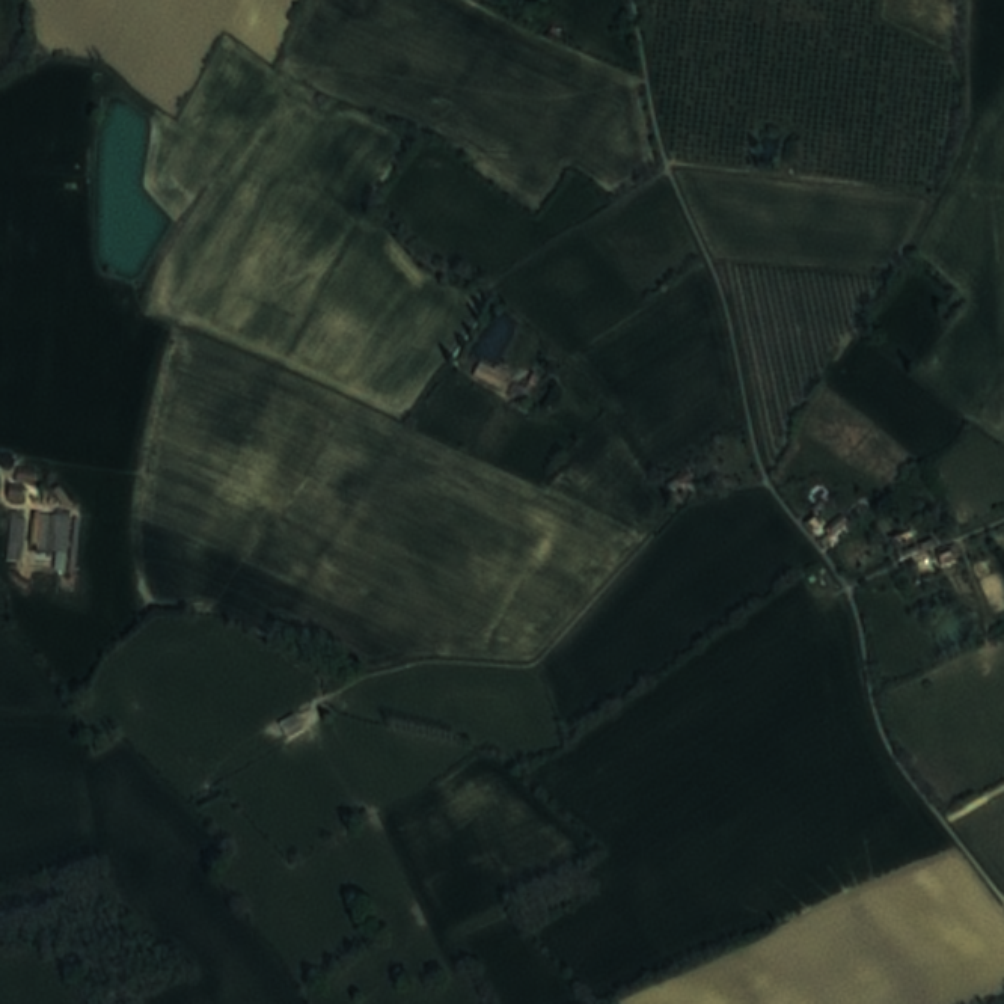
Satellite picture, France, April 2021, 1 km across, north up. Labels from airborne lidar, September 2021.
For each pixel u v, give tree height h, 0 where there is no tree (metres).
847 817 0
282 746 0
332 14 0
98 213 0
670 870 0
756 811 0
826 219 0
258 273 0
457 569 0
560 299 0
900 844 0
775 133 12
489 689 0
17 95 0
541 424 8
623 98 0
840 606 0
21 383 0
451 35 0
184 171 0
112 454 0
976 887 0
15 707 0
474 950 0
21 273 0
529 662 0
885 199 0
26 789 0
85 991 20
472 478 0
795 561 0
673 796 0
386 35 0
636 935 0
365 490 0
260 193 0
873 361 0
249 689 0
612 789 0
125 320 0
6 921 21
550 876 15
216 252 0
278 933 0
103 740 19
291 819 0
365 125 0
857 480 0
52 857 0
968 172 0
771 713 0
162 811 0
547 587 0
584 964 0
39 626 0
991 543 8
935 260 0
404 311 0
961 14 11
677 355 0
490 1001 21
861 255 0
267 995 0
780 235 0
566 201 0
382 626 0
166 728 0
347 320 0
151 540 0
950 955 0
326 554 0
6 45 0
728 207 0
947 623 0
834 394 0
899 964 0
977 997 0
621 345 0
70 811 0
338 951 0
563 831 0
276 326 0
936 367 0
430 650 0
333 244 0
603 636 0
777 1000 0
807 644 0
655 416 0
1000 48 0
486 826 0
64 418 0
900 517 13
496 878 0
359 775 0
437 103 0
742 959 0
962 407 0
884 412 0
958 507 0
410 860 0
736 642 0
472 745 15
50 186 0
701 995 0
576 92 0
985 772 0
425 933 0
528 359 0
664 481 13
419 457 0
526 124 0
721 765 0
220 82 0
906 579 10
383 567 0
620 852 0
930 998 0
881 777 0
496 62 0
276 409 0
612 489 0
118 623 0
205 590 0
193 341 0
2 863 0
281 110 0
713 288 0
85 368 0
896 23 0
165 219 0
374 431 0
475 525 0
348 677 24
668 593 0
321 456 0
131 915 14
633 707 0
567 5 0
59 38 0
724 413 0
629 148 0
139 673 0
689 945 0
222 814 0
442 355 0
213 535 0
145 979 18
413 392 0
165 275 0
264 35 0
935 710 0
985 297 0
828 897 0
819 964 0
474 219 0
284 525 0
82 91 0
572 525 0
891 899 0
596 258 0
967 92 15
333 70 0
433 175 0
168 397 0
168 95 0
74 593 0
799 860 0
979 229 0
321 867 0
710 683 0
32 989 0
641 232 0
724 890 0
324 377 0
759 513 0
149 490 0
